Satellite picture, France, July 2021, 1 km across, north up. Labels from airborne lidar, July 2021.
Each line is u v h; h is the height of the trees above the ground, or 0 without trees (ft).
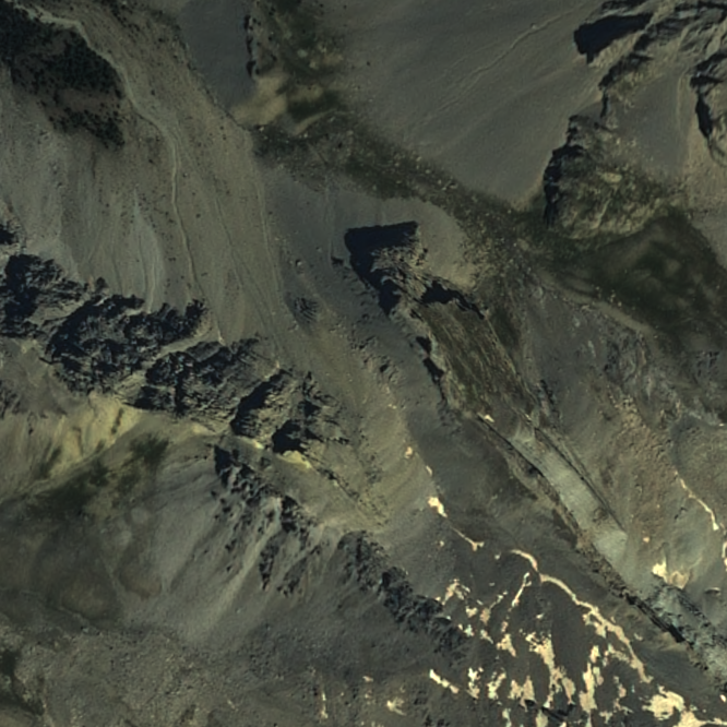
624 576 0
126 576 0
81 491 0
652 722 0
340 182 0
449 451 0
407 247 0
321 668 0
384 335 0
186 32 0
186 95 0
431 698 0
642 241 0
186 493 0
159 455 0
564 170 0
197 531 0
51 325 0
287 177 0
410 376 0
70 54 41
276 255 0
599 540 0
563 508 0
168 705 0
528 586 0
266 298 0
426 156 0
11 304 0
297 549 0
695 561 0
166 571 0
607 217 0
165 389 0
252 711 0
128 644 0
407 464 0
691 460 0
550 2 0
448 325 0
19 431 0
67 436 0
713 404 0
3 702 0
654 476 0
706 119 0
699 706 0
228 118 0
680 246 0
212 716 0
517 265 0
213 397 0
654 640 0
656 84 0
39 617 0
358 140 0
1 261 0
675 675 0
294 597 0
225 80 0
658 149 0
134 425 0
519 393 0
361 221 0
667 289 0
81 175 0
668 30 0
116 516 0
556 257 0
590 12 0
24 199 0
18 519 0
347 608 0
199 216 0
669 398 0
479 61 0
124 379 0
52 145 0
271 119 0
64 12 0
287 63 0
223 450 0
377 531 0
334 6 0
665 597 0
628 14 0
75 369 0
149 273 0
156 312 0
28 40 38
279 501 0
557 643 0
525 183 0
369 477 0
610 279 0
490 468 0
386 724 0
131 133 0
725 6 0
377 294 0
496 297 0
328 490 0
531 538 0
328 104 0
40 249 0
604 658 0
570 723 0
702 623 0
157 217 0
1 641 0
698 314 0
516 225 0
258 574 0
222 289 0
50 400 0
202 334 0
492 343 0
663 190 0
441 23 0
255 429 0
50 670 0
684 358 0
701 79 0
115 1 20
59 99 44
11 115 0
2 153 0
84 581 0
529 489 0
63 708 0
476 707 0
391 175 0
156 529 0
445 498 0
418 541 0
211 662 0
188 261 0
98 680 0
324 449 0
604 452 0
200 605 0
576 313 0
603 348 0
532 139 0
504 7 0
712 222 0
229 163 0
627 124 0
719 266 0
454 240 0
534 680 0
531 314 0
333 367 0
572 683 0
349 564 0
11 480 0
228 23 0
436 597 0
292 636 0
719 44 0
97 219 0
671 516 0
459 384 0
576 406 0
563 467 0
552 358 0
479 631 0
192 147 0
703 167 0
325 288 0
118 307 0
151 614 0
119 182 0
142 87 0
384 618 0
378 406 0
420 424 0
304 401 0
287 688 0
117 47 0
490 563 0
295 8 0
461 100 0
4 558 0
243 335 0
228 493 0
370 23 0
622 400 0
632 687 0
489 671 0
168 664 0
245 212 0
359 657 0
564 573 0
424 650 0
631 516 0
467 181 0
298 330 0
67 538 0
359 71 0
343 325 0
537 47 0
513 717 0
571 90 0
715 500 0
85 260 0
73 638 0
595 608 0
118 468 0
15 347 0
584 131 0
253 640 0
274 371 0
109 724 0
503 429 0
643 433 0
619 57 0
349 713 0
